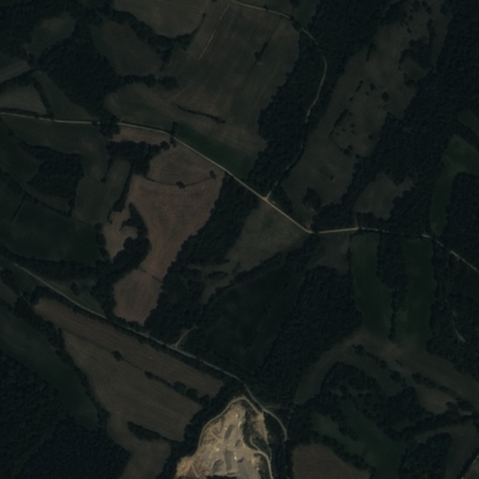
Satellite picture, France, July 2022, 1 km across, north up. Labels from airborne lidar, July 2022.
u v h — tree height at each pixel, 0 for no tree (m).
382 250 12
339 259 0
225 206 11
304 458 0
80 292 8
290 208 10
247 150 0
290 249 0
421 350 0
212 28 0
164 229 0
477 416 21
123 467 13
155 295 0
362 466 17
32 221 0
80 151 0
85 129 0
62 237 0
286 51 0
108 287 22
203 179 0
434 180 14
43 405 23
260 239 0
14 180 15
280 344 14
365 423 0
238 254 0
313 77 6
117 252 0
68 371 0
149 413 0
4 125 9
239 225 6
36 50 0
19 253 0
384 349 0
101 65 27
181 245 0
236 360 0
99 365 0
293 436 10
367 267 0
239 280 18
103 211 0
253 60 0
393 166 10
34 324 14
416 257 0
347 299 16
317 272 10
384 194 0
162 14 0
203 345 14
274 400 9
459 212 21
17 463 22
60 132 0
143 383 0
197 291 12
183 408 0
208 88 0
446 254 11
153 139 0
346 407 0
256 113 0
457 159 0
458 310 11
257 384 6
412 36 0
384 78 0
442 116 20
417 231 17
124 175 0
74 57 19
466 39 20
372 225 15
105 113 16
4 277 16
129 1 0
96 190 0
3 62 0
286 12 0
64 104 0
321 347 19
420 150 17
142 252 21
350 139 0
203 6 0
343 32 12
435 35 13
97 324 0
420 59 14
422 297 0
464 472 11
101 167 0
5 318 0
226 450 0
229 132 0
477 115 18
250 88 0
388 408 18
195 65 0
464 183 22
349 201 16
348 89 0
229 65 0
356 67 0
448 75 22
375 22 13
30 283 0
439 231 0
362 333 0
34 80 9
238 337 0
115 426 0
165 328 7
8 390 21
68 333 0
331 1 16
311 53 17
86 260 0
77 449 17
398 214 13
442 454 19
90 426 0
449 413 14
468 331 16
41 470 18
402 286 17
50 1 21
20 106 0
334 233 0
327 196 0
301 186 0
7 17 21
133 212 10
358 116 0
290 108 10
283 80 0
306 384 0
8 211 0
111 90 16
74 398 0
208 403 19
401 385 13
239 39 0
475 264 14
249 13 0
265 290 0
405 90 0
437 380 0
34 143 0
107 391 0
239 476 0
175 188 0
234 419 0
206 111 0
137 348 0
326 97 18
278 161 20
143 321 0
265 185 14
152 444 0
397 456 0
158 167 0
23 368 21
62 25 0
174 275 10
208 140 0
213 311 12
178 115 0
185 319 6
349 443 0
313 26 16
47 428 18
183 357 6
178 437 0
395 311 14
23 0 0
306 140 18
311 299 15
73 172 17
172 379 0
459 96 14
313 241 11
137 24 20
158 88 0
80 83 19
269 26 0
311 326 19
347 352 0
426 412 12
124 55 0
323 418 0
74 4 21
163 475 9
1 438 18
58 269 10
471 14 27
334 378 6
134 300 0
